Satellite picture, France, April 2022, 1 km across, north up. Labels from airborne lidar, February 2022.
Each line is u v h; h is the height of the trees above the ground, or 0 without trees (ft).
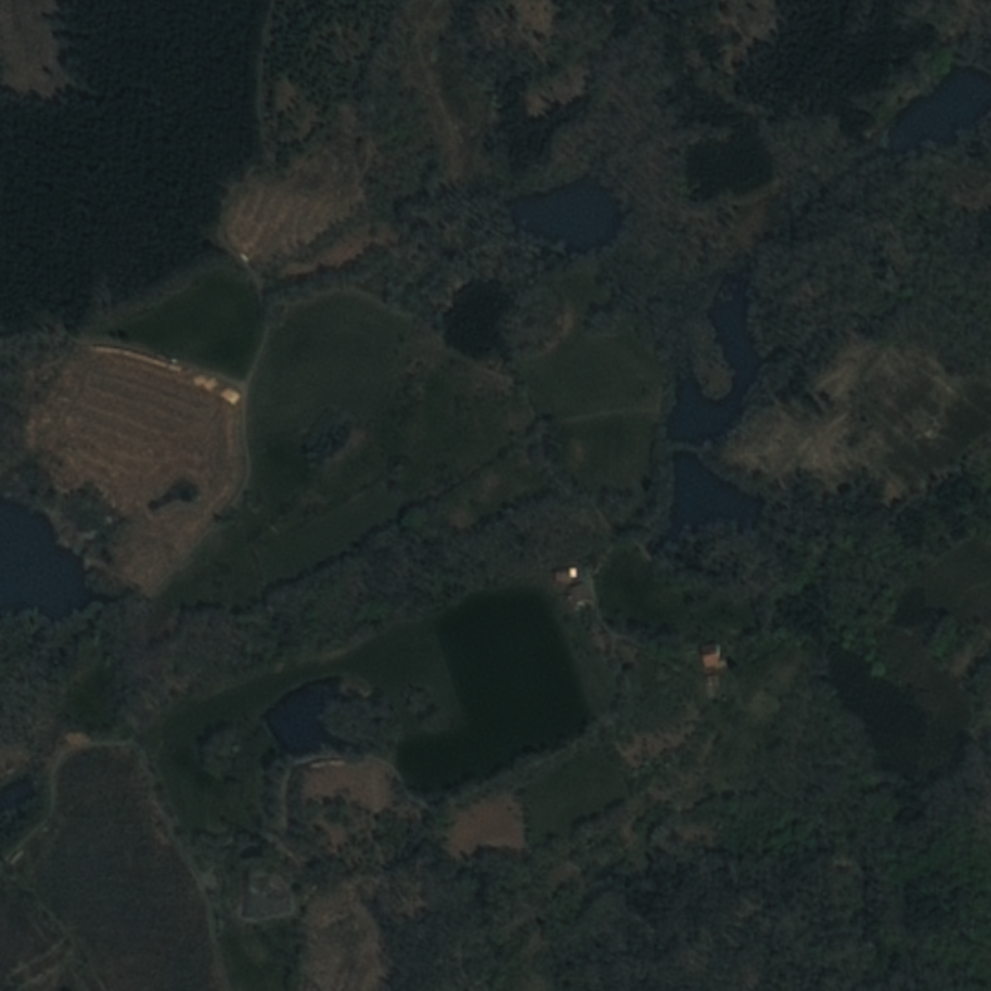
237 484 0
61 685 75
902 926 68
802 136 76
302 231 0
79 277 82
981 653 0
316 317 0
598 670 0
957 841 82
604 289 72
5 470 80
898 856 51
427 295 76
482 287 34
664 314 69
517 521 65
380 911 60
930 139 31
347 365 0
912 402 0
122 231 59
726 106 28
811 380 75
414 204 67
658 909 47
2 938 0
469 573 82
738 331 0
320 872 61
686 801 0
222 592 0
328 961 0
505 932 84
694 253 80
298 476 0
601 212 0
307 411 0
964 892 66
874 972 30
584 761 0
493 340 27
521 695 0
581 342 0
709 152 31
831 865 89
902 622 18
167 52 69
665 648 67
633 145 62
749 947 69
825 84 50
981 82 0
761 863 58
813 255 46
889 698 32
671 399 17
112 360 0
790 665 0
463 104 0
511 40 66
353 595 91
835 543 70
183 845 67
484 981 81
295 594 72
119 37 81
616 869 47
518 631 0
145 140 67
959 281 76
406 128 71
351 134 0
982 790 75
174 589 0
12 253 70
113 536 55
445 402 0
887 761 21
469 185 81
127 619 73
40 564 0
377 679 0
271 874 0
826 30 62
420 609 83
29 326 63
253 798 0
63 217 79
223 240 0
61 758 0
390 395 0
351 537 0
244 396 0
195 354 0
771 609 94
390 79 77
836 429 0
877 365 0
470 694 0
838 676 28
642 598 0
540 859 68
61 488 88
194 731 0
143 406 83
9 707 78
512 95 66
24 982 0
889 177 52
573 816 0
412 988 67
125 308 44
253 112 70
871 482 70
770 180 31
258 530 0
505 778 64
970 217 63
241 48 78
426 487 0
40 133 71
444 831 61
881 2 50
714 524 43
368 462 0
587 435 0
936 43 55
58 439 79
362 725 89
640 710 33
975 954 61
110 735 68
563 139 87
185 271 67
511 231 89
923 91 62
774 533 78
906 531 55
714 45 31
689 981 57
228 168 77
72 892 0
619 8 26
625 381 0
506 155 53
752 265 50
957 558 0
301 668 0
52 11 0
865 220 84
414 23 82
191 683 110
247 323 0
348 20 44
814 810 90
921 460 0
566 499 62
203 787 0
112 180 71
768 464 57
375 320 0
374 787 0
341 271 20
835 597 93
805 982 64
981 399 0
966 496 55
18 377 77
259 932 51
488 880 65
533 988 0
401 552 80
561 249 26
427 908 62
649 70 40
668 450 30
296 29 32
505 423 0
